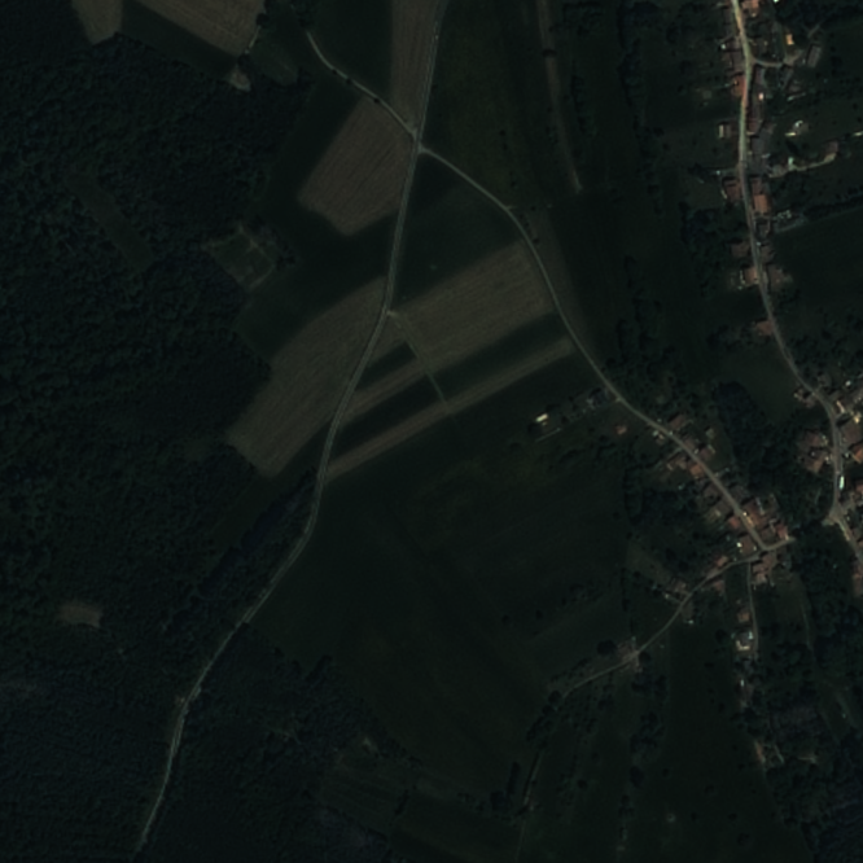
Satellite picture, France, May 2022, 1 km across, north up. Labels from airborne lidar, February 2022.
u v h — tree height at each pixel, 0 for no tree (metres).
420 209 0
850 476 0
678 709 0
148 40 0
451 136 0
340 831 22
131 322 16
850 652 27
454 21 0
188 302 28
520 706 0
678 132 0
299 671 17
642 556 0
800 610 0
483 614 0
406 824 0
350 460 0
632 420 0
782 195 11
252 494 0
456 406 0
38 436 33
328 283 0
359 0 0
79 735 10
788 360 0
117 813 9
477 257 0
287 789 21
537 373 0
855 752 30
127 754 13
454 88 0
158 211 27
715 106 0
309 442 0
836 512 0
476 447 0
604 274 0
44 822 13
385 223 0
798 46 11
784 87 0
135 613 8
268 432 0
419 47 0
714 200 0
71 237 16
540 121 0
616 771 0
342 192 0
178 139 12
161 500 24
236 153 9
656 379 14
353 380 0
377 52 0
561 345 0
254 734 23
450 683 0
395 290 0
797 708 28
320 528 0
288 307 0
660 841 0
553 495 0
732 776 0
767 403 0
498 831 0
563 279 0
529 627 0
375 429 0
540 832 0
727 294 0
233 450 10
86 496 14
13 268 22
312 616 0
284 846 19
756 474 28
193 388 14
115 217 0
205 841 14
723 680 0
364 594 0
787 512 12
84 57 15
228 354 17
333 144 0
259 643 14
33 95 17
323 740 19
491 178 0
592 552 0
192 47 0
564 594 0
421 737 0
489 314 0
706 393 0
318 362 0
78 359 23
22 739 17
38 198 7
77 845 14
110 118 25
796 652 21
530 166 0
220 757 12
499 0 0
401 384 0
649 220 0
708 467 0
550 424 0
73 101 24
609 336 0
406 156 0
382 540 0
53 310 19
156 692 9
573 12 11
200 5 0
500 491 0
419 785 0
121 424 16
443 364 0
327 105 0
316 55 0
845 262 0
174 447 8
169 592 13
